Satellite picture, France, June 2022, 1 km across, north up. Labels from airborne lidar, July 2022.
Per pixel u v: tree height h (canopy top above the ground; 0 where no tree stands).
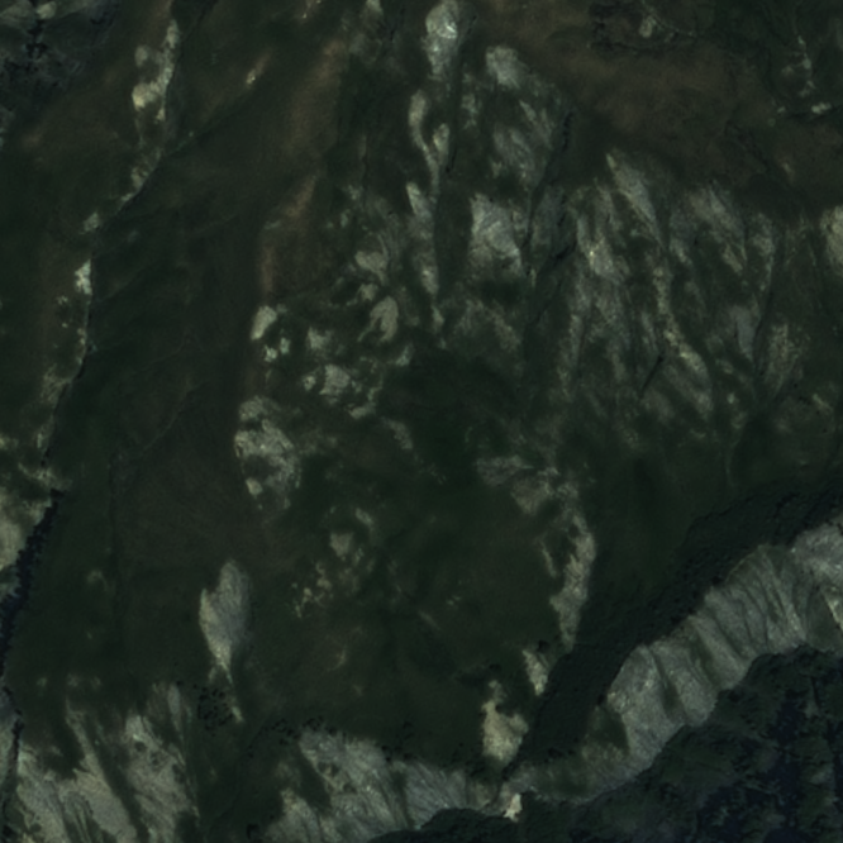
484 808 0
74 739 0
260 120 0
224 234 0
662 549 0
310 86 0
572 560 0
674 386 0
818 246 0
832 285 0
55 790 0
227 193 0
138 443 0
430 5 0
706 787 0
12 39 0
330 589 0
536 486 0
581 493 0
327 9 0
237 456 0
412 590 0
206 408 0
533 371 0
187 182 0
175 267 0
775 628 0
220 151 0
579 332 0
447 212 0
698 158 0
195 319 0
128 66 0
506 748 0
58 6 0
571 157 0
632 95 0
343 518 0
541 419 0
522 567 0
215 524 0
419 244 0
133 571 0
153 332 0
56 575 0
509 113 0
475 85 0
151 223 0
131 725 0
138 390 0
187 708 0
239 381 0
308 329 0
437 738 0
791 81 0
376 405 0
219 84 0
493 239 0
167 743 0
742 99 0
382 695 0
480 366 0
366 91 0
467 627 0
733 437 0
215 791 0
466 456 0
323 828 0
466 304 0
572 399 0
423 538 0
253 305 0
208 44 0
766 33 0
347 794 0
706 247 0
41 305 0
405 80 0
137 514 0
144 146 0
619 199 0
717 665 0
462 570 0
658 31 0
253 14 0
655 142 0
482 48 0
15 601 0
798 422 0
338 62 0
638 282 0
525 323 0
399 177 0
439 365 0
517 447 0
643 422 0
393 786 0
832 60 0
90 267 0
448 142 0
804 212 0
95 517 0
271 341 0
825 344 0
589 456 0
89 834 0
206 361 0
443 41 0
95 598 0
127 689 0
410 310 0
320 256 0
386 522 0
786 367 0
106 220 0
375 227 0
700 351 0
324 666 0
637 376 0
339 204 0
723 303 0
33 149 0
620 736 0
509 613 0
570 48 0
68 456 0
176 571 0
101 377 0
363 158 0
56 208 0
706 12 0
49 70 0
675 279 0
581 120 0
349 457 0
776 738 11
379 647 0
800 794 11
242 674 0
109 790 0
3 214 0
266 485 0
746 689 0
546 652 27
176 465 0
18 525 0
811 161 0
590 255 0
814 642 0
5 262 0
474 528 0
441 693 0
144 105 0
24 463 0
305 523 0
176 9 0
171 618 0
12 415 0
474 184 0
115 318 0
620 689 0
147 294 0
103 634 0
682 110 0
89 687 0
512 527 0
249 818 0
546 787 0
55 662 0
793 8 0
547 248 0
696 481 0
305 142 0
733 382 0
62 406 0
